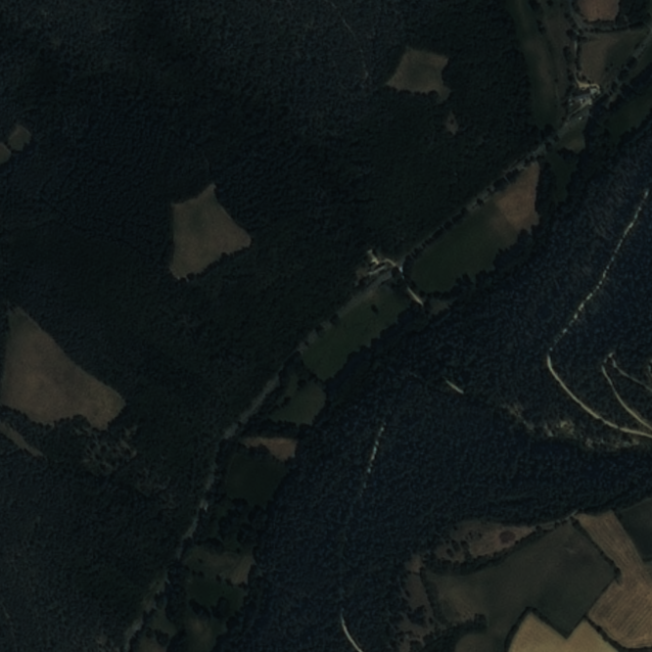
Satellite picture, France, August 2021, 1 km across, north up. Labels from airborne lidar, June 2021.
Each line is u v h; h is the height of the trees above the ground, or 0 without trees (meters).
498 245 0
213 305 16
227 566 0
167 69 19
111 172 24
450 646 10
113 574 13
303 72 21
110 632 13
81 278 16
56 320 20
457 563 6
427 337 24
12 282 13
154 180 24
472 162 15
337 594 17
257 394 14
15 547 12
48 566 18
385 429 8
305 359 0
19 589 12
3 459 14
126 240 23
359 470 15
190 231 0
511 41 18
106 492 21
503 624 0
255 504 0
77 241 14
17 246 11
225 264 15
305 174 18
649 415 14
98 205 22
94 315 18
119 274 14
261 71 17
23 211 14
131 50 15
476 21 19
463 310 12
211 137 17
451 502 18
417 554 13
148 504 29
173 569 26
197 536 17
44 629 13
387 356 18
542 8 12
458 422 14
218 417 14
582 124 0
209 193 0
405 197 10
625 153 10
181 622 19
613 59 0
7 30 25
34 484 20
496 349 12
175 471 13
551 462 11
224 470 13
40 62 20
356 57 13
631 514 0
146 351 18
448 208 18
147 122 28
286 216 25
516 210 0
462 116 12
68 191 22
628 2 11
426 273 0
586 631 0
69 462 14
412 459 17
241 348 18
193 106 20
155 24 23
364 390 10
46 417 0
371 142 17
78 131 24
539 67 0
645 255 11
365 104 19
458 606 0
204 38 16
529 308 16
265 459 23
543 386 17
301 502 18
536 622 0
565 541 0
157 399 16
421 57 0
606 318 9
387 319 0
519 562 0
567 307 13
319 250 19
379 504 12
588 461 8
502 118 16
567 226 17
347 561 14
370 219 17
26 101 15
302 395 0
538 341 15
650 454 10
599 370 8
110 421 0
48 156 17
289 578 22
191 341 17
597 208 13
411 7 23
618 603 0
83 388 0
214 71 18
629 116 0
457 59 19
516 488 19
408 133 17
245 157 20
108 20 13
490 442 21
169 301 18
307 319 16
